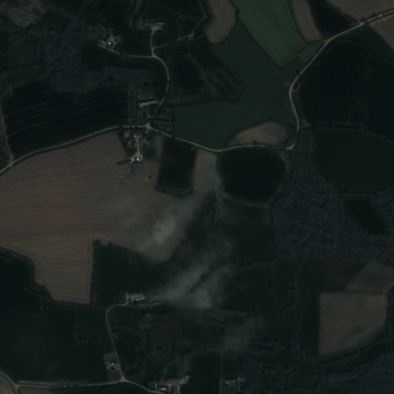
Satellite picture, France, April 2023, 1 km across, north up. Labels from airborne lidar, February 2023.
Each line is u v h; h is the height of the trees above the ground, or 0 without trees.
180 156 0
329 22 0
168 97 13
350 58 0
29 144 0
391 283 0
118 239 0
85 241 0
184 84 0
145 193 0
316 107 0
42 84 0
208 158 0
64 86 19
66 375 0
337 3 0
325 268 0
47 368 0
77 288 0
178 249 0
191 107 0
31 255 0
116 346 0
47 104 0
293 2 0
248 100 0
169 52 0
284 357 0
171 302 0
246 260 0
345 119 0
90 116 0
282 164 0
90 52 0
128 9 0
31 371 0
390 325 7
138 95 0
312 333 0
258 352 20
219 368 9
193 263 0
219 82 0
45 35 7
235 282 0
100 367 0
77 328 0
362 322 0
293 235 23
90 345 0
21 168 0
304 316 0
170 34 0
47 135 0
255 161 0
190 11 0
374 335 0
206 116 0
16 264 0
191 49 0
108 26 0
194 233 0
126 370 0
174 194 0
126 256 0
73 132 0
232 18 0
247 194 0
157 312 0
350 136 0
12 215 0
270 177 0
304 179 14
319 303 0
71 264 0
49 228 0
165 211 0
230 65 0
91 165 0
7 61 0
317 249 14
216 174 0
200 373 0
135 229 0
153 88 9
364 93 0
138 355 0
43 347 0
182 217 0
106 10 0
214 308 9
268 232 0
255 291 0
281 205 20
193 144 0
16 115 0
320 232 17
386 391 11
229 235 0
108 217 0
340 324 0
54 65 14
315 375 8
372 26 0
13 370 0
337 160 0
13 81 0
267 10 0
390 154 0
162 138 0
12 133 0
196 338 0
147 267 0
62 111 0
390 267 16
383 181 0
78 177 0
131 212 0
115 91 0
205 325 0
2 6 0
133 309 0
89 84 14
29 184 0
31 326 0
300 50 0
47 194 0
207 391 0
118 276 0
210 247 14
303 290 0
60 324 0
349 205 0
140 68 15
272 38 0
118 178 0
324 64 0
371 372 15
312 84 0
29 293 0
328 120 0
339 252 11
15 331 0
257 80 0
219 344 7
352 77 0
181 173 0
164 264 11
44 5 14
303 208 6
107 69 13
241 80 0
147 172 0
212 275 14
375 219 0
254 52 0
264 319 0
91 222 0
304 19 0
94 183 0
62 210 0
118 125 0
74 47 15
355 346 0
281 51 0
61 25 0
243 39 0
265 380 0
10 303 0
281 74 0
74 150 0
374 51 0
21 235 0
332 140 0
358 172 0
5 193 0
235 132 0
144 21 0
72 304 11
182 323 0
